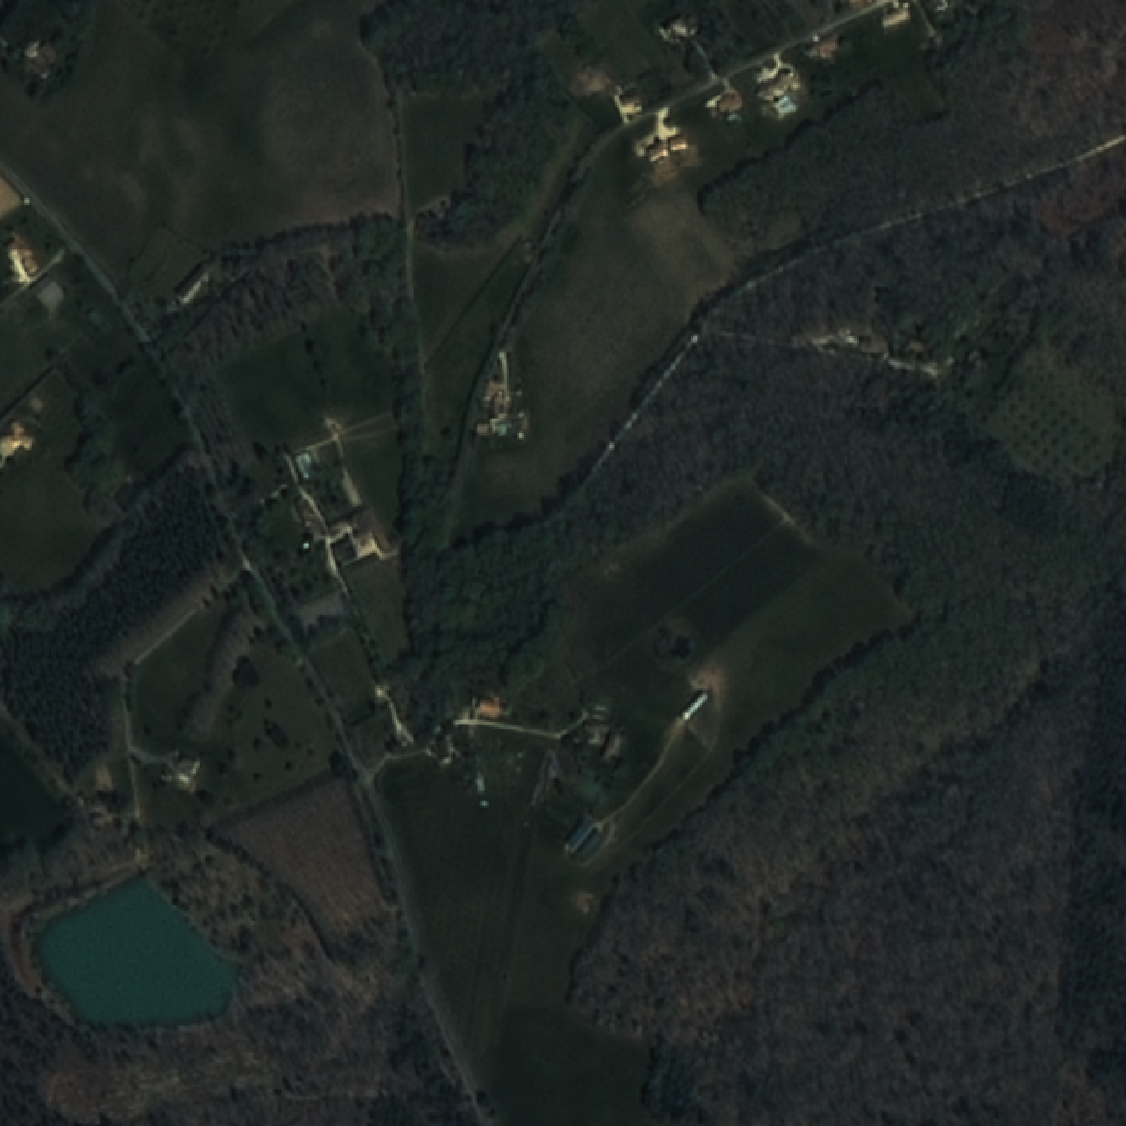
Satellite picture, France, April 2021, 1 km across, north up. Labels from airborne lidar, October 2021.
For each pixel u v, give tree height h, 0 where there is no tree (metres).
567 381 0
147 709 0
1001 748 17
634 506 21
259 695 0
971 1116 16
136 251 0
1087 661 22
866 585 0
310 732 0
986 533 22
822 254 17
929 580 19
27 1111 11
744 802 23
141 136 0
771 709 0
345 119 0
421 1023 14
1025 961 15
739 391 18
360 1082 15
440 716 16
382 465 0
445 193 0
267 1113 8
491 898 0
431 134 0
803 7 0
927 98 0
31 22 0
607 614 0
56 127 0
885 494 20
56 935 0
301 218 0
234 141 0
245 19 0
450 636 19
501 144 18
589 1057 0
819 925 8
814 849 20
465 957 0
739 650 0
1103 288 18
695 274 0
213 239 0
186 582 19
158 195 0
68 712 19
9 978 17
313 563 13
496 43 20
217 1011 0
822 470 25
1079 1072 10
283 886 21
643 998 7
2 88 0
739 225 18
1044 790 17
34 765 11
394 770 0
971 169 16
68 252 11
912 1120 8
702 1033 10
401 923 12
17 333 0
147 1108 0
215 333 20
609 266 0
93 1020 0
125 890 0
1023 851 14
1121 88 10
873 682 32
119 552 17
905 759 24
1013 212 21
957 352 18
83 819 18
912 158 18
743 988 19
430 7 23
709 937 17
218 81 0
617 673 0
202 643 0
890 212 17
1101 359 26
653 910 18
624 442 20
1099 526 11
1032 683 19
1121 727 21
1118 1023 17
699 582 0
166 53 0
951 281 23
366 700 0
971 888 18
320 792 19
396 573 0
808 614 0
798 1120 21
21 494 0
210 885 21
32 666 19
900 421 11
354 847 23
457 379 0
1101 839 19
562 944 0
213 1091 0
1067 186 16
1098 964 23
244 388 0
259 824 20
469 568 20
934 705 24
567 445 0
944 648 20
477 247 14
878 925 13
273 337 11
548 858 0
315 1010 13
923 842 17
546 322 0
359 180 0
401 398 11
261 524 21
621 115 0
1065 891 19
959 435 16
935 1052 17
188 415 17
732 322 22
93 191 0
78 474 17
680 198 0
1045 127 17
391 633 0
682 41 8
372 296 17
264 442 0
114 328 0
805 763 20
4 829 0
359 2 0
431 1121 11
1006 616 24
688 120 0
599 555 15
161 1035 11
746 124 0
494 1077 0
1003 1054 7
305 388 0
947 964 10
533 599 17
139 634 20
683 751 0
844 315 18
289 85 0
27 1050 18
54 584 0
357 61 0
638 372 0
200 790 0
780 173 18
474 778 9
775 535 0
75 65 8
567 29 25
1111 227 16
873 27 0
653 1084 15
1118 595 19
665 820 0
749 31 0
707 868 20
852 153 18
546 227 8
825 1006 9
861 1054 13
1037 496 24
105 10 0
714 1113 17
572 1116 0
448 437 10
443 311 0
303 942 0
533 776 0
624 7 0
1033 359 15
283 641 18
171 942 0
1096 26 13
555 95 15
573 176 9
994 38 19
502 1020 0
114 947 0
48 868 22
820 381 16
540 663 17
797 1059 21
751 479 20
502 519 0
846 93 0
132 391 0
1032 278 13
